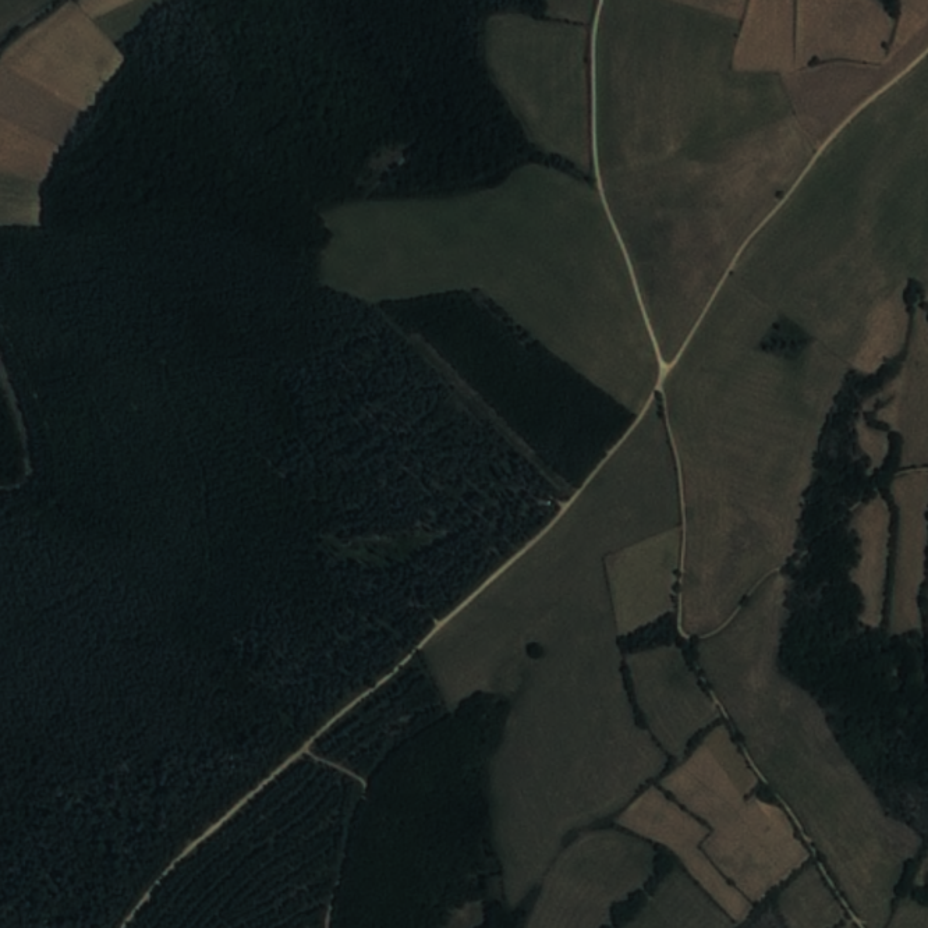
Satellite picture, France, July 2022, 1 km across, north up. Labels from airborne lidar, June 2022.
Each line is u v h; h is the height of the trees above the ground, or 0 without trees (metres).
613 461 0
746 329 0
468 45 16
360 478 18
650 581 0
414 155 14
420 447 20
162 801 24
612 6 0
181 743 19
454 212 0
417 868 18
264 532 16
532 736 0
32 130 0
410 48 18
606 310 0
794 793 0
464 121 20
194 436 10
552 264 0
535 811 0
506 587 0
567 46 0
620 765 0
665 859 12
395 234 0
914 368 0
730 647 0
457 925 0
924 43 0
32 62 0
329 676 19
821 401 0
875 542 0
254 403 17
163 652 19
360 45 20
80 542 10
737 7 0
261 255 14
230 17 8
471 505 21
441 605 18
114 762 18
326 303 14
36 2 0
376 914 13
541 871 0
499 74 0
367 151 12
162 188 14
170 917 15
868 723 11
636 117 0
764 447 0
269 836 17
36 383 8
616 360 0
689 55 0
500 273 0
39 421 11
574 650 0
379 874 15
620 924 16
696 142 0
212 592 14
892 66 0
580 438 13
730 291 0
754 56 0
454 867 20
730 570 0
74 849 13
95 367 8
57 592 17
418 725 12
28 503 17
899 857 0
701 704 0
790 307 0
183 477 16
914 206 0
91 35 0
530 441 14
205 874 14
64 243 11
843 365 0
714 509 0
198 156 17
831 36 0
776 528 0
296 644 20
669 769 13
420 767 16
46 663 17
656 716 0
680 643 12
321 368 16
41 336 10
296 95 11
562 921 0
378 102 11
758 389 0
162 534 12
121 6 0
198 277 17
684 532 0
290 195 15
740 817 0
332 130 16
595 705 0
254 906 13
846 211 0
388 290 0
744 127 0
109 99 11
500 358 14
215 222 12
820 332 0
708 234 0
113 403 10
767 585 0
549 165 11
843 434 7
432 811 18
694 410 0
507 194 0
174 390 12
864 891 0
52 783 14
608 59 0
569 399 11
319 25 8
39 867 18
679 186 0
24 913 17
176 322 16
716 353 0
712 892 0
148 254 16
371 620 18
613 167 0
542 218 0
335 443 20
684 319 0
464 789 18
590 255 0
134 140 10
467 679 0
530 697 0
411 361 14
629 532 0
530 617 0
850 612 15
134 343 20
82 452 10
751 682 0
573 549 0
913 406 0
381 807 15
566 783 0
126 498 14
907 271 0
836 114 0
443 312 11
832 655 15
